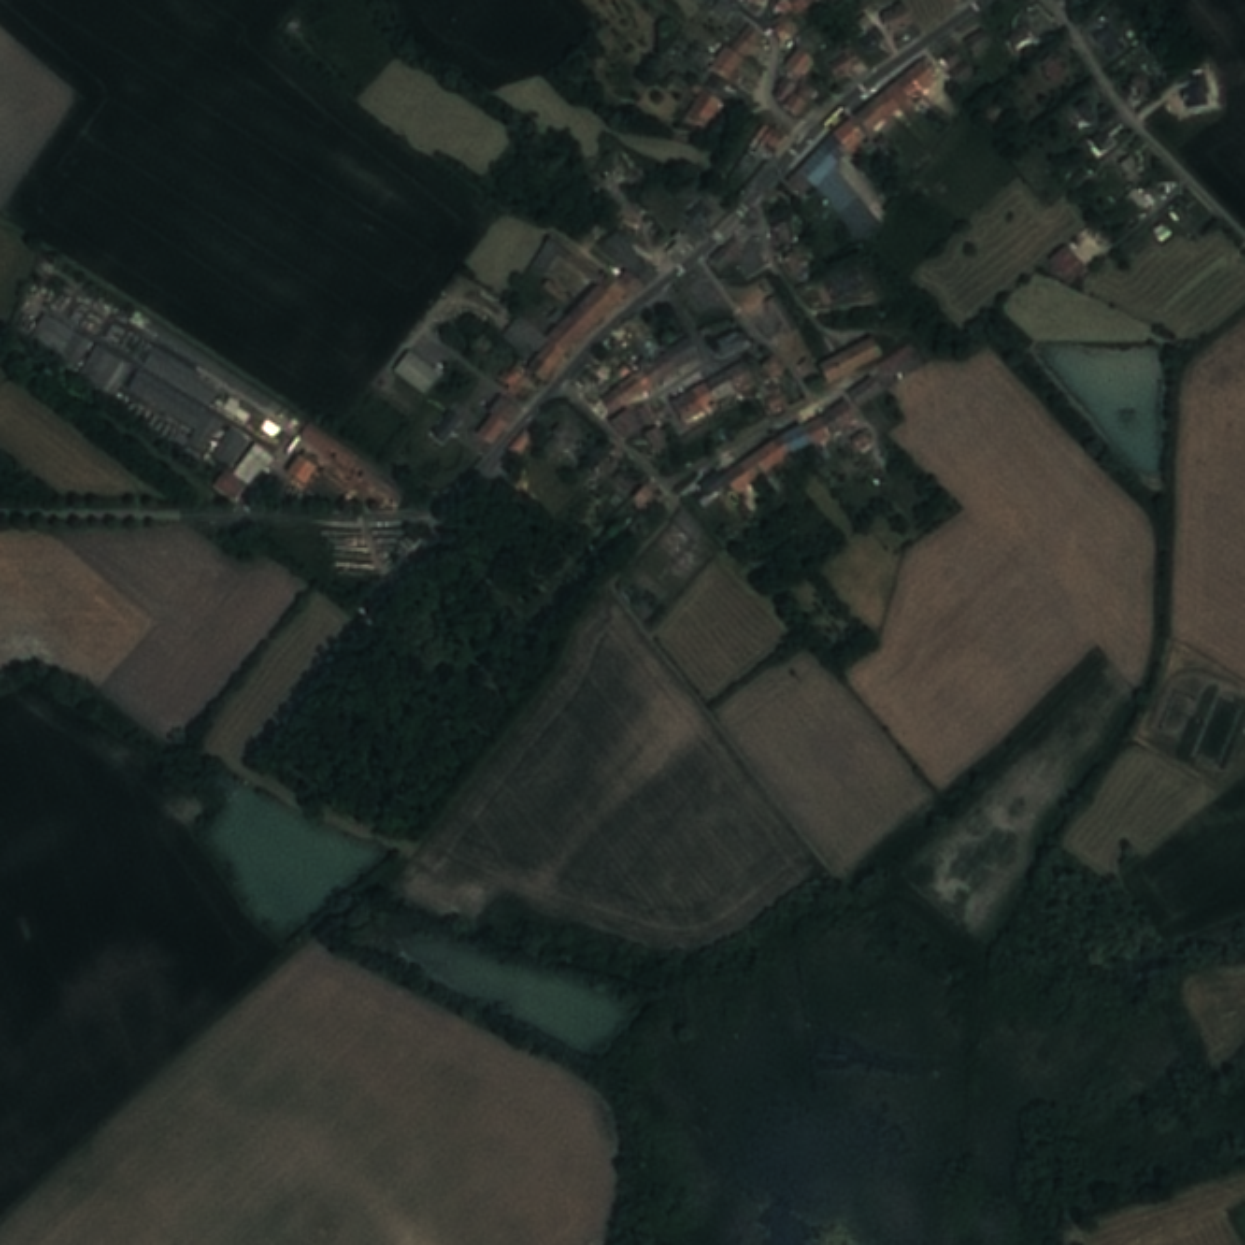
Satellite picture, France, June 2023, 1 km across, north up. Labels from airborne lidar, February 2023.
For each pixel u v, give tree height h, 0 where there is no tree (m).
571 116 0
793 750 0
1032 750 0
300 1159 0
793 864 0
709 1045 0
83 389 15
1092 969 8
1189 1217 0
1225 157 0
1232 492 0
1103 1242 0
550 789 0
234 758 0
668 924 0
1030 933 6
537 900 0
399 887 0
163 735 0
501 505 26
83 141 0
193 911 0
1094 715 0
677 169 14
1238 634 0
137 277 0
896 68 0
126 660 0
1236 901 0
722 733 0
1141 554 0
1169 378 7
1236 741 0
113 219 0
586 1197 0
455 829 0
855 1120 0
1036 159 0
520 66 0
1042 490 0
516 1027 17
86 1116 0
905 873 0
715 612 0
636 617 0
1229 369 0
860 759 0
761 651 0
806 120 0
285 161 0
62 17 0
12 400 0
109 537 0
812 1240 0
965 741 0
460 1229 0
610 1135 0
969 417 0
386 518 0
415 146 0
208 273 0
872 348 0
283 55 0
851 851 0
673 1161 6
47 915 0
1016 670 0
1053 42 9
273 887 0
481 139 0
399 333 0
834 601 6
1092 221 10
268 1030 0
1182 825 0
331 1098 0
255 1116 0
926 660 0
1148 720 0
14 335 21
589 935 6
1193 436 0
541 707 0
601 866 0
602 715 0
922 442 0
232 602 0
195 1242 0
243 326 0
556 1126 0
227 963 0
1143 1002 16
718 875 0
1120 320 0
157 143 0
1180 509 0
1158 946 18
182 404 0
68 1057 0
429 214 0
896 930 10
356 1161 0
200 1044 0
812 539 9
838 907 12
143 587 0
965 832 0
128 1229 0
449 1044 0
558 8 0
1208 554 0
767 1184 0
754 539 10
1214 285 0
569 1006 0
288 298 0
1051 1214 15
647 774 0
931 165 0
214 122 0
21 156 0
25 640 0
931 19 0
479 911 0
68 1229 0
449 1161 0
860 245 5
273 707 0
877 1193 0
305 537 0
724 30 0
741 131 17
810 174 0
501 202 8
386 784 16
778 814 0
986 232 0
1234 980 0
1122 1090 8
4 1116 0
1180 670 0
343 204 0
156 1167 0
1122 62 10
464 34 0
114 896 0
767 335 0
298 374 0
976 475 0
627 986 13
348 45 0
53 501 15
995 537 0
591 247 0
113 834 0
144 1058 0
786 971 0
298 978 0
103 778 0
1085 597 0
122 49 0
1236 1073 18
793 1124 0
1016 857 0
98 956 0
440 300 0
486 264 0
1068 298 0
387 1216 0
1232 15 0
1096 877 6
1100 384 0
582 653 0
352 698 29
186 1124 0
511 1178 0
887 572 0
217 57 0
